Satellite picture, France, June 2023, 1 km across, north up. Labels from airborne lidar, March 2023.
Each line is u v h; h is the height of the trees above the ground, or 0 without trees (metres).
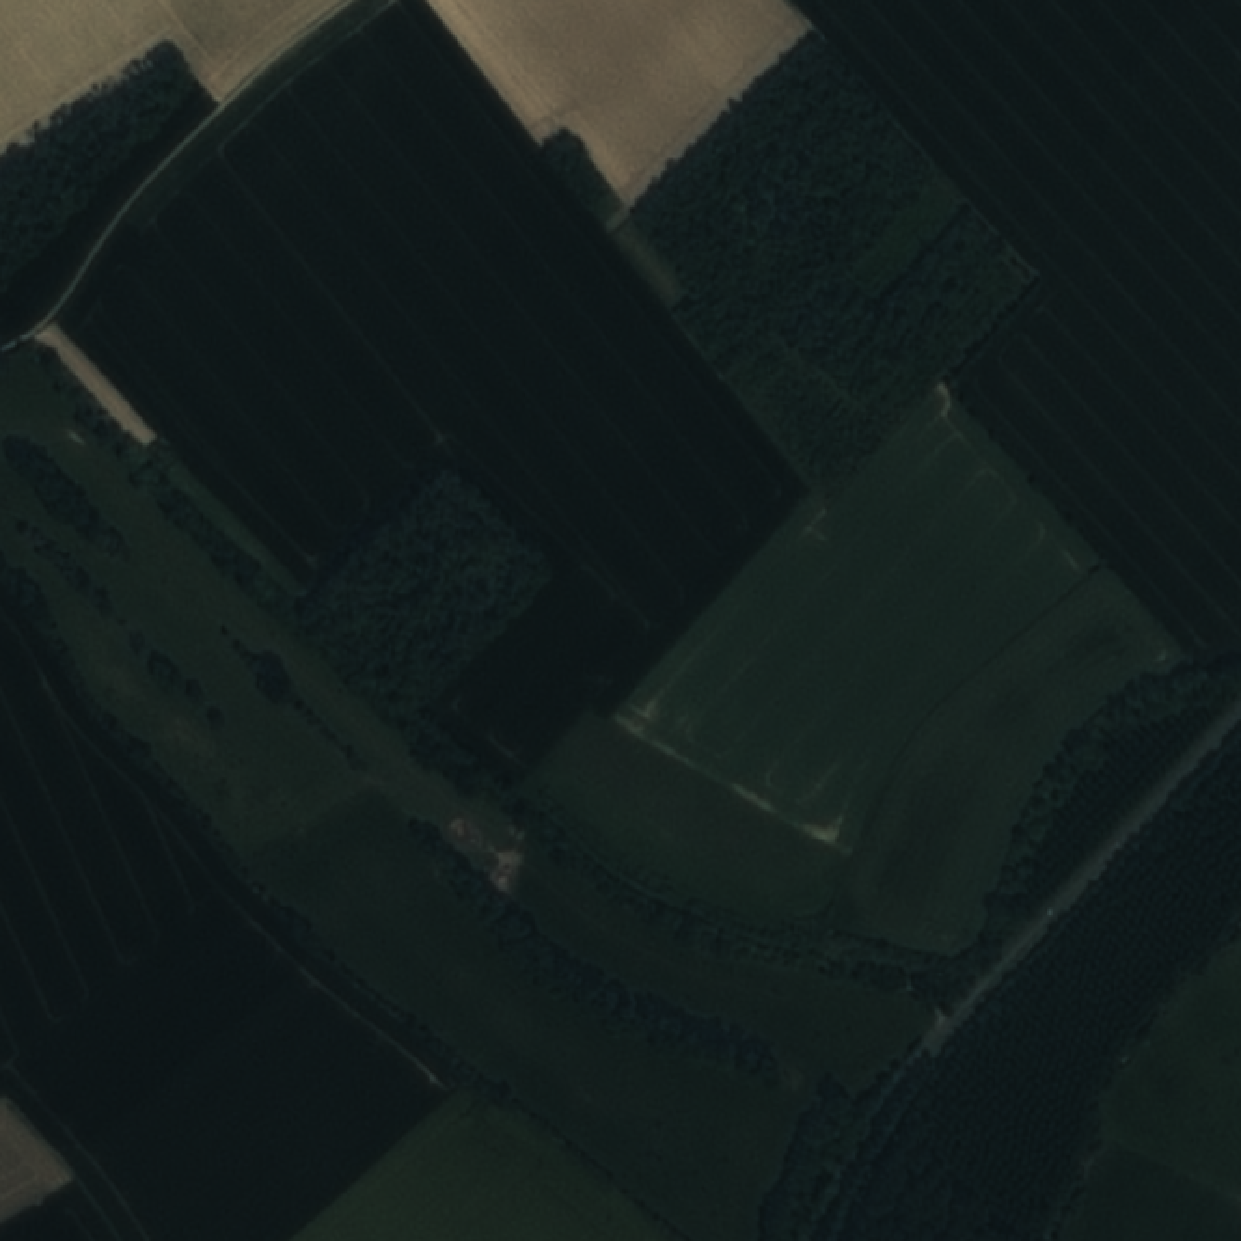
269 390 0
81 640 0
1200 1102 0
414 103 0
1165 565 0
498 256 0
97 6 0
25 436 0
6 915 0
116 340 0
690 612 0
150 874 0
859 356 16
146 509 0
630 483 0
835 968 12
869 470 0
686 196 17
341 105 0
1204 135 0
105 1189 0
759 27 0
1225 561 0
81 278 0
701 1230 0
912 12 0
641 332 0
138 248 0
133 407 0
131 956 0
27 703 0
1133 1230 0
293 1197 0
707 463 0
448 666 20
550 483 0
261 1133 0
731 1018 0
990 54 0
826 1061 0
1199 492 0
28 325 0
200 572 0
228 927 0
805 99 19
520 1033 0
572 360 0
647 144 0
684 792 0
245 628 0
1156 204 0
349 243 0
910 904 0
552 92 0
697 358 0
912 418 0
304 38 0
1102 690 0
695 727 0
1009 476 0
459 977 0
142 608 0
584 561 0
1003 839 0
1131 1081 0
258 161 0
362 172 0
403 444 0
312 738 0
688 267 14
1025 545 0
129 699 0
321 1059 0
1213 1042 0
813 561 0
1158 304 0
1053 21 0
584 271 0
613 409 0
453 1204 0
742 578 0
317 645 12
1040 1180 18
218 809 0
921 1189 32
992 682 0
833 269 14
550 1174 0
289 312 0
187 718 0
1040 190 0
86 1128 0
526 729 0
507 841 0
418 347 0
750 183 19
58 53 0
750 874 0
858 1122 17
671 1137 0
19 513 0
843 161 15
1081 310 0
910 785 0
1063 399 0
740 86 0
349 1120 0
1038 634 0
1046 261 0
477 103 0
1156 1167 0
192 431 0
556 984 22
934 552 0
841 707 0
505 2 0
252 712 0
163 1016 0
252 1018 0
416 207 0
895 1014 0
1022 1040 15
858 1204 9
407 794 0
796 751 0
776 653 0
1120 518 0
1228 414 0
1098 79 0
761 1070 22
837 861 0
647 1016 25
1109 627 0
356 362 0
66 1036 0
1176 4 0
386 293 0
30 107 0
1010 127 0
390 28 0
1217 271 0
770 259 10
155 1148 0
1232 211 0
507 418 0
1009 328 0
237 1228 0
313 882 0
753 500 0
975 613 0
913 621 0
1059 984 17
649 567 0
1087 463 0
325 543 0
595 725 0
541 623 0
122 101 18
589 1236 0
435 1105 0
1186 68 0
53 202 21
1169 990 12
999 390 0
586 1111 0
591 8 0
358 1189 0
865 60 0
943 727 0
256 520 0
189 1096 0
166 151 0
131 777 0
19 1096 0
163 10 0
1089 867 0
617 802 0
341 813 0
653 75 0
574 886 0
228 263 0
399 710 12
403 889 0
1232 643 0
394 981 0
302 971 0
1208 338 0
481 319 0
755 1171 0
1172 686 23
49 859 0
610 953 0
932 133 0
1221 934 9
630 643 0
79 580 17
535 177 0
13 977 0
